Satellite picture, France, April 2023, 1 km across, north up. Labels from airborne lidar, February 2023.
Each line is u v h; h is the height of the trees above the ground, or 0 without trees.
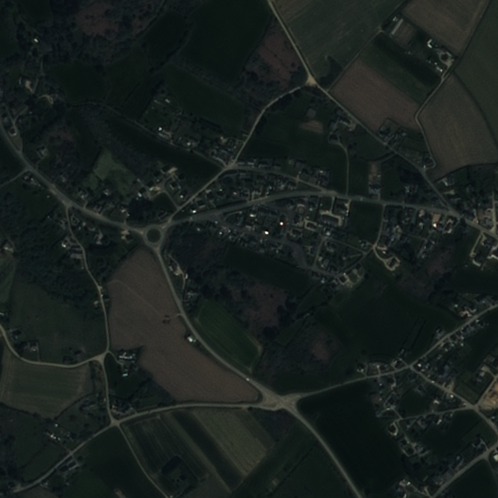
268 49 0
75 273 0
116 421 0
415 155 0
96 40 10
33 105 18
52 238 0
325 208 0
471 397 0
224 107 0
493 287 0
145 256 0
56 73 0
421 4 0
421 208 0
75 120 0
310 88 14
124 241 0
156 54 0
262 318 0
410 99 0
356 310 0
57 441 5
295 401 0
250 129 0
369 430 0
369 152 0
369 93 0
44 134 11
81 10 0
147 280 0
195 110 0
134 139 0
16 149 0
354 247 0
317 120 0
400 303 0
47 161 0
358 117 0
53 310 0
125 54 10
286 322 12
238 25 0
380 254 0
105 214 0
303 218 0
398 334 0
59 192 0
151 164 5
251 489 0
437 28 0
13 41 0
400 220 6
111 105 6
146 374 0
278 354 8
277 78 0
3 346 0
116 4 9
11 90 11
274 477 0
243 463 0
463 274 0
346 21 0
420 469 12
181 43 8
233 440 0
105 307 0
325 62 0
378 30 0
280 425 13
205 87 0
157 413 0
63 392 0
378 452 0
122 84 0
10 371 0
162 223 0
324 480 0
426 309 0
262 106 10
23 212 11
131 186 0
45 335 0
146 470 0
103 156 0
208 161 0
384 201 0
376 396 0
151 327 0
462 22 0
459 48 0
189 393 0
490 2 0
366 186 0
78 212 7
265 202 0
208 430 0
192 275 12
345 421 0
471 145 0
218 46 0
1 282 0
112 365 0
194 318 0
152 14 9
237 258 0
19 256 12
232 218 0
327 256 6
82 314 0
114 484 0
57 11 21
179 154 0
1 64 6
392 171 0
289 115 0
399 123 0
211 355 0
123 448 0
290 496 0
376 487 0
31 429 0
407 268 0
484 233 0
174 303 0
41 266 9
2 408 10
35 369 0
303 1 0
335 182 0
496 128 0
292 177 0
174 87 0
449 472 0
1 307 0
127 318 0
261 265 0
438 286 10
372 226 0
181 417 0
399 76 0
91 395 0
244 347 0
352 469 0
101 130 11
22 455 0
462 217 0
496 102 0
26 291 0
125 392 0
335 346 0
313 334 0
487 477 0
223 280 0
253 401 0
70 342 0
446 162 0
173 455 0
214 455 0
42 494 0
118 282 0
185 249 5
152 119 0
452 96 0
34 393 0
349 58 0
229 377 0
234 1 0
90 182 0
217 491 0
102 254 12
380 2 0
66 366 0
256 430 0
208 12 0
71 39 20
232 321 0
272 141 0
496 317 0
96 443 0
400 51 0
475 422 0
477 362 0
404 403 0
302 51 0
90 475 0
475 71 0
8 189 0
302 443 0
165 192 0
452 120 0
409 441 0
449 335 0
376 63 0
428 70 0
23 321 0
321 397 0
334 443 0
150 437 0
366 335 0
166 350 0
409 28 0
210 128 9
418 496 0
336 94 0
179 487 7
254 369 0
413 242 0
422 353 0
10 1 6
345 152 0
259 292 0
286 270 0
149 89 0
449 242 0
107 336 0
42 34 7
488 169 0
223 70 0
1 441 7
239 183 7
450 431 0
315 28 0
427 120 0
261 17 0
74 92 0
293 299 9
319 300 0
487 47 0
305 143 0
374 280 0
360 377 0
